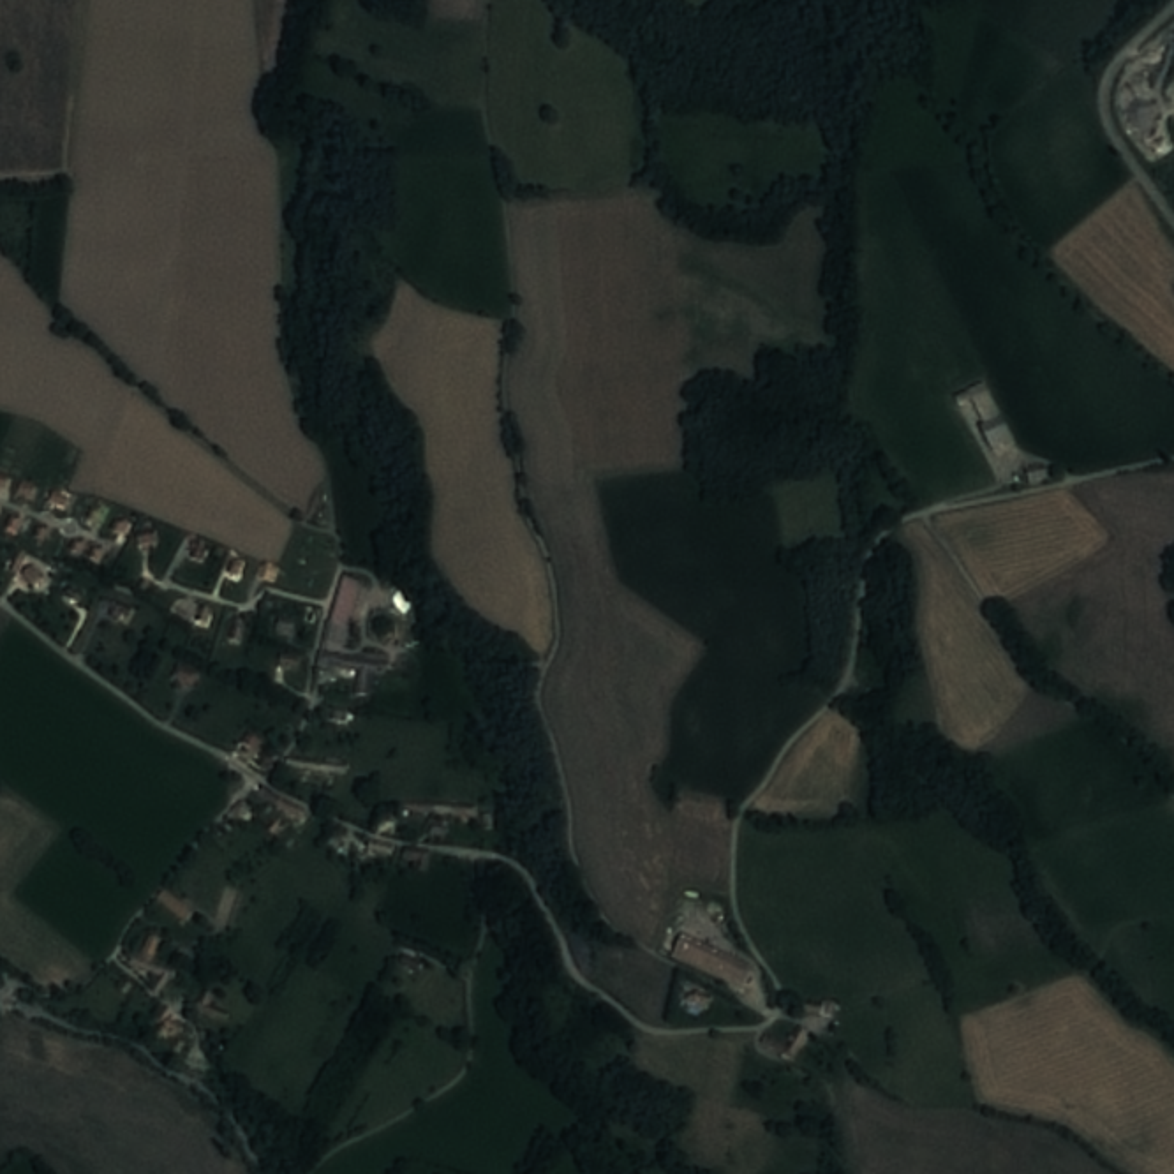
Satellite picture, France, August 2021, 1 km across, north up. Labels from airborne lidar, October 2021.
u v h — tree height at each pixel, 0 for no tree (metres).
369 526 0
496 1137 0
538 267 0
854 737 0
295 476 0
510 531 0
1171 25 0
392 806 12
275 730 10
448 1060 0
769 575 0
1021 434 0
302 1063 0
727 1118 0
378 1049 11
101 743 0
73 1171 0
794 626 0
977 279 0
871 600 14
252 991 17
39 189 12
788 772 0
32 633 0
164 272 0
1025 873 16
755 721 0
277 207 0
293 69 25
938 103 12
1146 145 0
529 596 0
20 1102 0
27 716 0
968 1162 0
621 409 0
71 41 0
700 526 0
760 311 0
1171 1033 14
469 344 0
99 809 0
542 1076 17
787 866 0
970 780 19
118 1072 0
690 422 16
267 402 0
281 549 0
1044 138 0
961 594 0
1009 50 0
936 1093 0
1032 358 0
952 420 0
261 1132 18
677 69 18
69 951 0
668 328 0
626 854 0
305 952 12
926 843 0
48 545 0
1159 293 0
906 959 0
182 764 0
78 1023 8
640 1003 0
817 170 0
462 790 0
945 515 0
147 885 0
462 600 10
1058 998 0
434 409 0
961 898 0
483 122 0
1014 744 0
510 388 0
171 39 0
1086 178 0
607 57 0
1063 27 0
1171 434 0
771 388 15
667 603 0
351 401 18
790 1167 0
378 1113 0
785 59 19
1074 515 0
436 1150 0
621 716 0
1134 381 0
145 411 0
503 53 0
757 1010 0
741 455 16
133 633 10
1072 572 0
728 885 0
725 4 16
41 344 0
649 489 0
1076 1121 0
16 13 0
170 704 7
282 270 0
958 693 0
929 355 0
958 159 0
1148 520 0
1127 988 16
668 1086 13
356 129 13
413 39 0
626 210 0
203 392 0
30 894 0
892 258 0
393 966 11
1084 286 0
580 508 0
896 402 0
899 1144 0
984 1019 0
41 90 0
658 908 0
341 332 13
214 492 0
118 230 0
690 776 0
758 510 0
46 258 0
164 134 0
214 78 0
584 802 0
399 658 0
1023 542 0
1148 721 0
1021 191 0
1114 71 0
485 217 0
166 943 10
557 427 0
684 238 0
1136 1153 0
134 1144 0
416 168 0
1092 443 0
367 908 0
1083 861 0
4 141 0
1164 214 0
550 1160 11
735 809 14
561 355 0
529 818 7
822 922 0
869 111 25
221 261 0
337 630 0
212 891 0
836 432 15
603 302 0
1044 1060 0
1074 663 0
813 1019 0
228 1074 16
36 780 0
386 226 13
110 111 0
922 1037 0
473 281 0
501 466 0
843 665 12
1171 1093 0
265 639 8
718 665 0
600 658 0
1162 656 0
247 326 0
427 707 10
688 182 0
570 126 0
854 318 15
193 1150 0
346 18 0
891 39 26
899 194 0
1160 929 0
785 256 0
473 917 10
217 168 0
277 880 0
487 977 0
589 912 16
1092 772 0
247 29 0
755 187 0
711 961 0
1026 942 0
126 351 0
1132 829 0
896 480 16
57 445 0
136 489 0
